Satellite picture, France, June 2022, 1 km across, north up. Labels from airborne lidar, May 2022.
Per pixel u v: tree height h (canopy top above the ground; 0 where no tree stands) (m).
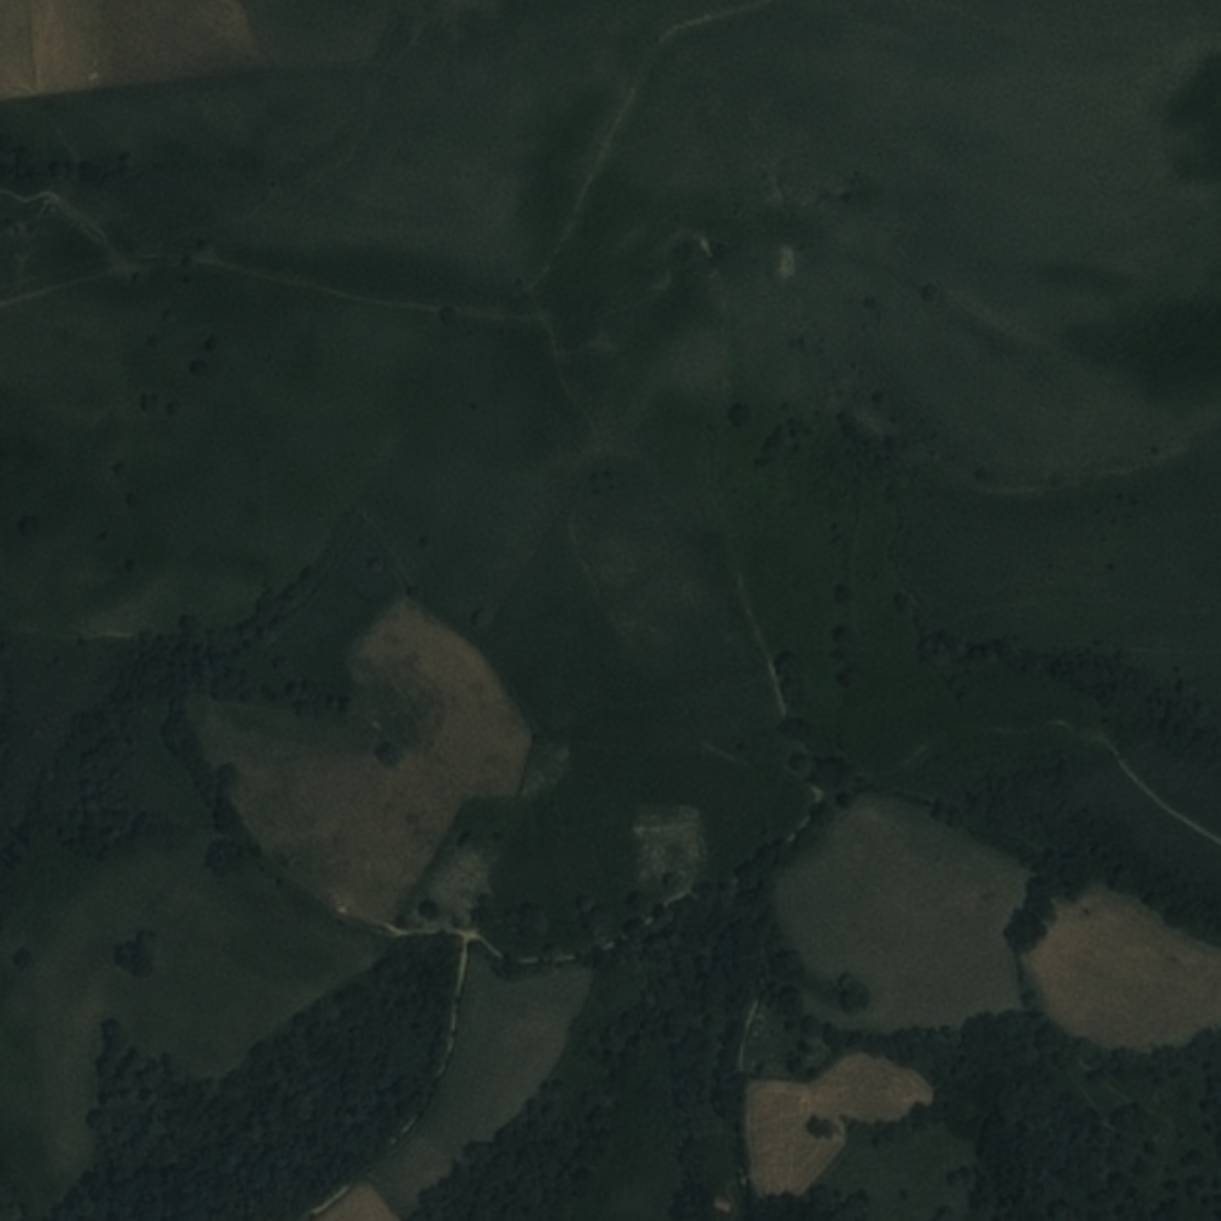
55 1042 0
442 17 0
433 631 0
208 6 0
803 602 0
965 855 0
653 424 0
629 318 0
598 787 0
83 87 0
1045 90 0
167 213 0
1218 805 0
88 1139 0
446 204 0
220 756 0
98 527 0
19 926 0
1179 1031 0
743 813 0
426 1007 16
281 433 0
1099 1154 20
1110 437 0
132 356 0
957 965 0
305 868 0
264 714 0
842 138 0
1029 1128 16
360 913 0
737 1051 8
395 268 0
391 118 0
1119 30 0
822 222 0
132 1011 0
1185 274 0
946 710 0
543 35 0
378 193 0
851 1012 13
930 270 0
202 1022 0
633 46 0
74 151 0
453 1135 0
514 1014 0
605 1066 11
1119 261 0
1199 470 0
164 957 0
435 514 0
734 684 0
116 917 0
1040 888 20
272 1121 24
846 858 0
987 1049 19
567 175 0
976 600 0
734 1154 7
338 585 0
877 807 0
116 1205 21
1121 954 0
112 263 0
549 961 7
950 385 0
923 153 0
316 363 0
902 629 0
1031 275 0
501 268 0
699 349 0
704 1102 13
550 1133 15
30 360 0
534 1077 0
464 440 0
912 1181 0
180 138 0
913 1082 0
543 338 0
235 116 0
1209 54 0
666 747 0
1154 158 0
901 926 0
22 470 0
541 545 0
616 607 0
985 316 0
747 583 0
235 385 0
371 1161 17
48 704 0
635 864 0
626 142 0
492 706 0
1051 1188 19
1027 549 0
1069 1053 14
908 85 0
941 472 0
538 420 0
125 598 0
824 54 0
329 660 0
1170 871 6
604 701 0
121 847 17
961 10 0
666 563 0
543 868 0
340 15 0
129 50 0
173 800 0
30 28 0
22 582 0
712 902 19
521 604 0
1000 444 0
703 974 17
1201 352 0
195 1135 15
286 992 0
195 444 0
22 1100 0
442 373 0
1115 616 0
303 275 0
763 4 0
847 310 0
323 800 0
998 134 0
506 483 0
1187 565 0
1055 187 0
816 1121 12
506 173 0
